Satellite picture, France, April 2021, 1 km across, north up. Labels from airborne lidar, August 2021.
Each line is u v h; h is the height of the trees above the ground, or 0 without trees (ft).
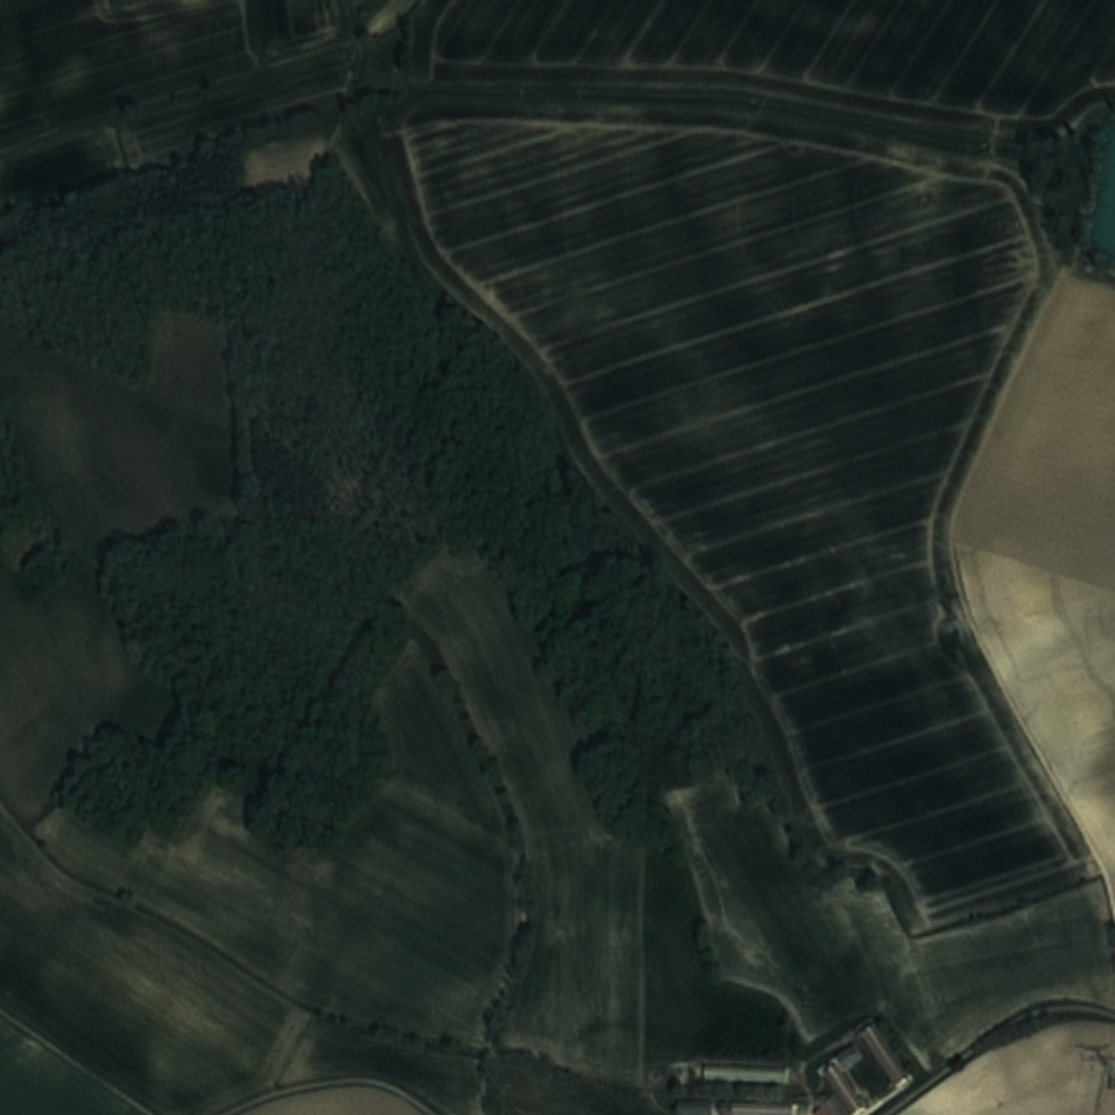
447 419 81
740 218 0
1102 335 0
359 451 41
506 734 0
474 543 61
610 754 69
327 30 0
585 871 0
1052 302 0
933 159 0
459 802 0
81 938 0
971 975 0
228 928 0
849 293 0
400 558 58
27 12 0
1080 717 0
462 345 78
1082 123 0
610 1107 0
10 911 0
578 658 87
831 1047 0
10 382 0
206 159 51
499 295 0
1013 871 0
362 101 49
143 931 0
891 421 0
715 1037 0
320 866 0
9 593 0
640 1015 0
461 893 0
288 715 64
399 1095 0
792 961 0
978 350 0
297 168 0
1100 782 0
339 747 71
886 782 0
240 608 55
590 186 0
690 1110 0
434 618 0
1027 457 0
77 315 53
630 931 0
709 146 0
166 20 0
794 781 0
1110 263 55
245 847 0
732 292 0
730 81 0
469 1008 0
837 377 0
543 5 0
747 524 0
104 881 0
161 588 59
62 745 0
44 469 0
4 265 66
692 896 0
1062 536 0
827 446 0
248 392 50
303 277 60
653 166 0
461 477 70
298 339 50
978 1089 0
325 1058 0
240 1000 0
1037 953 0
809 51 0
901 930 0
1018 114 0
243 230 65
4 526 66
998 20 0
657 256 0
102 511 0
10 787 0
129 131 0
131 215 62
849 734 0
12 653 0
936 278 0
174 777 66
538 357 0
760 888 0
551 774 0
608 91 0
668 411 0
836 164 0
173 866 0
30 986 0
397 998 0
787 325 0
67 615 0
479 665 0
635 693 42
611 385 0
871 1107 0
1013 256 0
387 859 0
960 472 0
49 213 43
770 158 0
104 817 59
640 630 80
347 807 79
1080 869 0
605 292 0
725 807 0
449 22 0
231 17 0
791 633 0
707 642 54
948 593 0
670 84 0
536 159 0
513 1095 0
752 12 0
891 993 0
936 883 0
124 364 53
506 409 74
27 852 0
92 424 0
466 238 0
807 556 0
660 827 75
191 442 0
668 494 0
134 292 54
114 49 0
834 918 0
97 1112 0
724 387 0
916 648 0
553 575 97
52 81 0
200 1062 0
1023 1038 48
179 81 0
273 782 74
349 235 58
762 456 0
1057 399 0
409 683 0
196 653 75
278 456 56
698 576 0
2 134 0
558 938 0
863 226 0
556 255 0
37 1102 0
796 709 0
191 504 0
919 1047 0
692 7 0
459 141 0
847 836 0
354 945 0
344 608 61
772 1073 0
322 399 51
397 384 73
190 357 0
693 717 32
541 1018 0
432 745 0
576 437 0
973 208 0
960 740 0
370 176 0
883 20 0
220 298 59
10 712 0
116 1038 0
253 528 61
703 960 37
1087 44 0
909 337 0
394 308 88
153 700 0
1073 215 0
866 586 0
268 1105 0
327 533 70
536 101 0
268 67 0
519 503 98
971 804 0
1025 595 0
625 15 0
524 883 41
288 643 52
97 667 0
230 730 65
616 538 70
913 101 0
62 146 0
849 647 0
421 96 0
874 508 0
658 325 0
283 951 0
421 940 0
